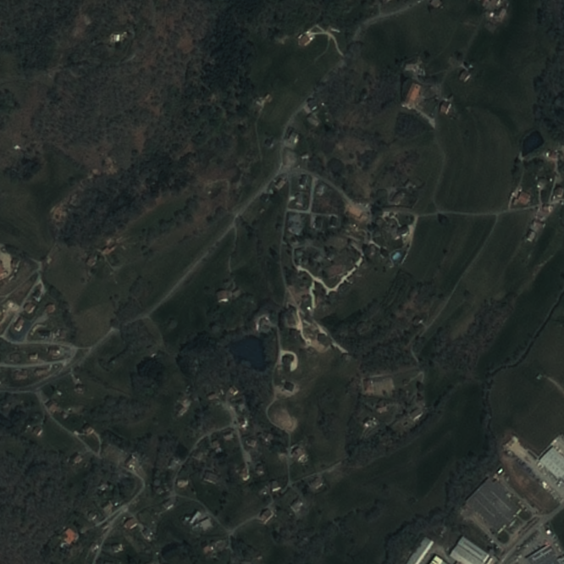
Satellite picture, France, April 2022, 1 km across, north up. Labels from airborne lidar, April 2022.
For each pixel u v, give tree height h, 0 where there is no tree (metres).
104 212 24
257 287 0
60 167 0
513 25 0
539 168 20
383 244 0
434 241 0
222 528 0
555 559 0
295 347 0
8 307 0
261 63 0
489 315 9
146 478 0
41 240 0
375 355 14
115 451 0
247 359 0
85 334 0
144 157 12
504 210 0
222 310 13
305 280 10
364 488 0
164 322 0
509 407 0
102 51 17
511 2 0
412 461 0
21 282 0
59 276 0
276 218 0
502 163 0
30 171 19
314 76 0
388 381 0
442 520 22
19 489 15
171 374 0
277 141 0
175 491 0
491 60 0
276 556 0
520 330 0
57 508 15
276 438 18
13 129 0
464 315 0
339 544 0
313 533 12
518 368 0
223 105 20
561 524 0
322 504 0
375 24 0
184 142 7
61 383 0
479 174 0
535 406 0
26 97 0
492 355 0
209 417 22
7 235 0
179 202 0
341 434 0
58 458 14
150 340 14
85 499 19
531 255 0
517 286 0
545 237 0
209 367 24
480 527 0
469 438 0
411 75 0
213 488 0
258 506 0
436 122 0
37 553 15
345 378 0
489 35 0
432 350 0
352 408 0
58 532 8
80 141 15
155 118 15
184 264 0
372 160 7
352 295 0
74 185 9
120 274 0
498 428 0
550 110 8
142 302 0
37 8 19
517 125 0
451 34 0
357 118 0
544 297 0
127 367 0
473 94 0
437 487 0
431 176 0
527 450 0
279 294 0
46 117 16
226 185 0
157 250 0
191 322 0
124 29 0
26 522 19
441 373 0
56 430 0
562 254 0
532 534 0
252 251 0
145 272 0
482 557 0
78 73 25
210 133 24
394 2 0
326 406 0
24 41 16
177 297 0
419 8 0
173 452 17
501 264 0
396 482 0
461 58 13
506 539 0
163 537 0
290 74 0
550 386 0
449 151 0
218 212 11
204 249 0
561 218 0
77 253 0
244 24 18
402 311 14
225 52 32
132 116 16
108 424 10
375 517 15
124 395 0
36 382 0
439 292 0
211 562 0
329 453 0
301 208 0
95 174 0
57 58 6
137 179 23
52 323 0
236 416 0
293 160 0
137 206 32
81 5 18
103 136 17
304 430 0
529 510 0
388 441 7
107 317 0
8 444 0
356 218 0
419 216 0
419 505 0
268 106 0
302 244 0
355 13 0
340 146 0
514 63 0
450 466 0
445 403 17
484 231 0
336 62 0
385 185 0
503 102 0
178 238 0
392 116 0
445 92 0
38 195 0
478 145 0
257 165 0
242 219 8
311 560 22
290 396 0
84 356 0
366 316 14
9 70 0
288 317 15
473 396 0
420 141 0
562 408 0
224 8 26
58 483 10
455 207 0
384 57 0
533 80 0
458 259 0
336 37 0
